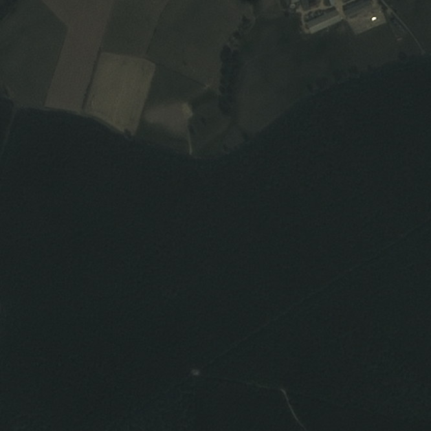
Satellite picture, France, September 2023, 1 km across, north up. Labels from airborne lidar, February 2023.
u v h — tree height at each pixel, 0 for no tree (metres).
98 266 19
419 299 19
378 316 21
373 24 0
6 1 18
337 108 19
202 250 19
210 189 18
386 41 0
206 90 0
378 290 20
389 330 21
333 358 24
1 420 23
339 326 24
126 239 19
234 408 11
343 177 20
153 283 17
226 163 19
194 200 20
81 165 21
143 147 20
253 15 0
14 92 0
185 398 14
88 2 0
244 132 0
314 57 0
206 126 0
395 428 14
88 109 0
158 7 0
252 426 12
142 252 19
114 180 19
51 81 0
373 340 29
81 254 21
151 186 21
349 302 21
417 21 0
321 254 17
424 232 18
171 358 21
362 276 19
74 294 19
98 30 0
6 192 16
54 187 20
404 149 20
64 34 0
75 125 17
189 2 0
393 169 22
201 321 22
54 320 20
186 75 0
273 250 21
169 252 17
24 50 0
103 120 0
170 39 0
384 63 0
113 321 20
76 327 20
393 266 19
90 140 21
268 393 9
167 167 20
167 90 0
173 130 0
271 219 20
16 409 22
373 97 22
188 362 21
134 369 20
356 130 21
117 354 21
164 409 33
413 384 26
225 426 13
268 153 21
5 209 18
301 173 22
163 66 0
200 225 18
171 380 19
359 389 24
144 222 22
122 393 21
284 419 12
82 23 0
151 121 0
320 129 23
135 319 20
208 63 0
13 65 0
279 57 0
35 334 21
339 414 12
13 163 18
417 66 18
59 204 20
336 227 19
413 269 22
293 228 20
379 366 25
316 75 0
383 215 20
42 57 0
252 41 0
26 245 19
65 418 20
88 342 22
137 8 0
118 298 19
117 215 21
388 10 0
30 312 19
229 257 19
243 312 21
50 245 23
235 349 20
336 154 20
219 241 21
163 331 21
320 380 23
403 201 21
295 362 23
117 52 0
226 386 12
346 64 0
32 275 17
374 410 13
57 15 0
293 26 0
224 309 19
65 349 23
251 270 20
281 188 23
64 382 24
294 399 16
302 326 22
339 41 0
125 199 22
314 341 23
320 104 19
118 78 0
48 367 23
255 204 20
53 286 18
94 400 21
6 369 20
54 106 0
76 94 0
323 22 0
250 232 20
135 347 17
